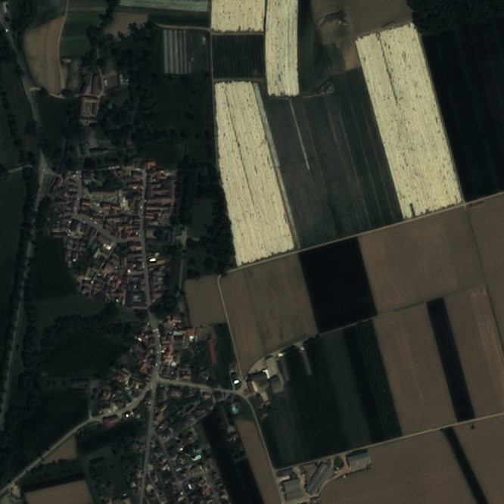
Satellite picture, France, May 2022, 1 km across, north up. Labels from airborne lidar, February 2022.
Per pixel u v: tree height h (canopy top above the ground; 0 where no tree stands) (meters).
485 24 0
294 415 0
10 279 0
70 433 0
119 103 0
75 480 0
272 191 0
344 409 0
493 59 0
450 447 0
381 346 0
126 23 0
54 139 0
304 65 0
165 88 0
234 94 0
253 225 0
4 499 0
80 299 0
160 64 0
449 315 0
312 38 0
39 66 0
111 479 0
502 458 0
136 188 0
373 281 0
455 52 0
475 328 0
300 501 0
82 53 0
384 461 0
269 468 0
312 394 0
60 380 0
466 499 0
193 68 0
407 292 0
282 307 0
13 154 0
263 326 0
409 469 0
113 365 10
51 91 0
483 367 0
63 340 0
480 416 0
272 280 0
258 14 0
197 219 0
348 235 0
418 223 0
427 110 0
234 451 7
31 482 0
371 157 0
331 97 0
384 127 0
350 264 0
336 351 0
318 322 0
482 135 0
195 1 0
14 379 0
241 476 0
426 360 0
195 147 0
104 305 0
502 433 0
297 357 0
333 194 0
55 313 0
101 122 15
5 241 0
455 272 0
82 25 0
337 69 0
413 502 0
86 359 0
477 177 0
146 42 24
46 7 0
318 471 0
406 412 0
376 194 0
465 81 0
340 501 0
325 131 0
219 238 26
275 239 0
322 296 0
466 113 0
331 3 0
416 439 0
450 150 0
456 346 0
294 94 0
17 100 0
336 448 0
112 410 0
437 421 0
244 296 0
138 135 24
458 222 0
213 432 0
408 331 0
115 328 17
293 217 0
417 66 0
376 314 0
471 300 0
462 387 0
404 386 0
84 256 0
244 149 0
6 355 9
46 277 0
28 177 19
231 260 0
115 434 0
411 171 0
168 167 0
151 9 0
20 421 0
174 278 0
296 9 0
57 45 0
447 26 22
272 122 0
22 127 0
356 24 0
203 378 0
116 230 0
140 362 0
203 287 0
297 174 0
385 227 0
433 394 0
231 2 0
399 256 0
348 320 0
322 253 0
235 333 0
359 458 0
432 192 0
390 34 0
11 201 0
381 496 0
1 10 0
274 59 0
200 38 0
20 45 9
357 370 0
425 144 0
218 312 0
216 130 0
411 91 0
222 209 16
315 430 0
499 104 0
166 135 21
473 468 0
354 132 0
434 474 0
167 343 0
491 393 0
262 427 0
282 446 0
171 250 21
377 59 0
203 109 0
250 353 0
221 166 0
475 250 0
